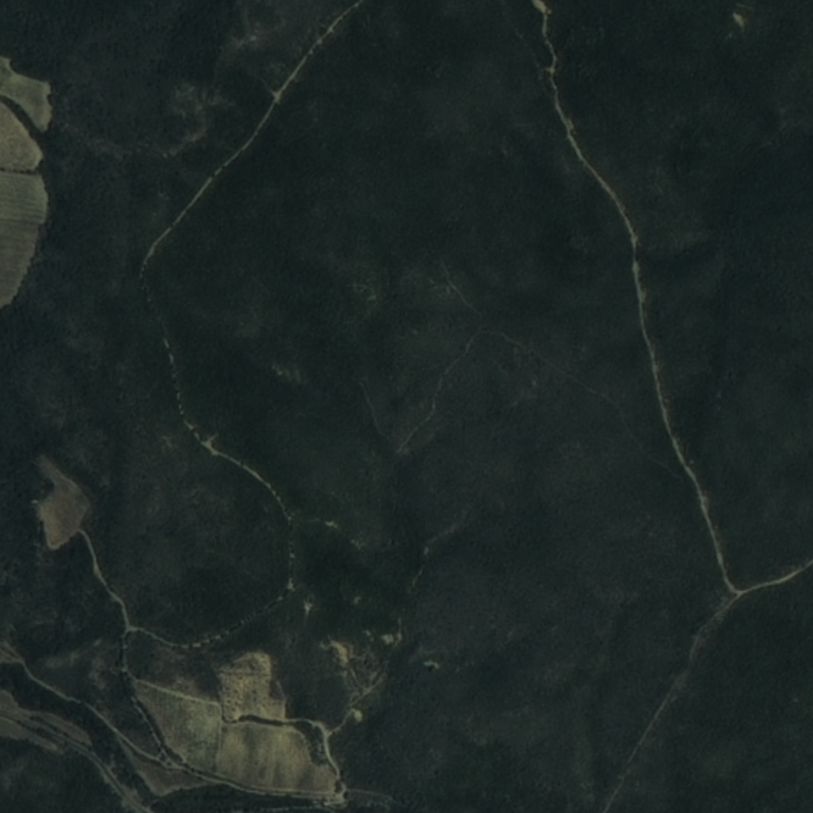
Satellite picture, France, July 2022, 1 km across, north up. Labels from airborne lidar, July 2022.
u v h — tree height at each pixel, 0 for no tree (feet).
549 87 17
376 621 18
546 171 23
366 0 18
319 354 18
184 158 19
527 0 18
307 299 22
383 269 18
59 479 0
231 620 18
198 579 18
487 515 17
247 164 22
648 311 22
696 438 22
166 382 18
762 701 18
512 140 18
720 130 22
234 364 19
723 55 19
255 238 23
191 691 0
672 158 20
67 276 23
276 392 18
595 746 21
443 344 0
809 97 21
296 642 25
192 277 17
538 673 0
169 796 20
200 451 28
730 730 18
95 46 18
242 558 31
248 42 0
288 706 22
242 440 18
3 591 18
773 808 22
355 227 18
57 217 23
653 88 22
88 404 21
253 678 0
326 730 0
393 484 18
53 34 18
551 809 22
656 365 0
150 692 0
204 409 17
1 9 20
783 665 23
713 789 19
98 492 22
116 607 20
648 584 19
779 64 19
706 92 18
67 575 39
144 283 30
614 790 0
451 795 23
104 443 19
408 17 17
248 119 17
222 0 17
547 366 0
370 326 23
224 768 0
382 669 25
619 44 29
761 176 21
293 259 22
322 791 0
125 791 0
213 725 0
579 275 18
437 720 0
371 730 17
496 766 22
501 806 28
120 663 26
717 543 0
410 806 32
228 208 23
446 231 22
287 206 26
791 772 18
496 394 18
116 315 23
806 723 19
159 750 25
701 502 0
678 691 0
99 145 0
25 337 20
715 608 0
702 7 18
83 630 30
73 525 0
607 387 0
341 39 20
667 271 20
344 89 19
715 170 22
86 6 18
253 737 0
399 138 17
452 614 0
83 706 28
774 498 0
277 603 24
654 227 24
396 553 17
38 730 25
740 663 18
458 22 24
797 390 23
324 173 19
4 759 18
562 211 19
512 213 19
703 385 20
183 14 22
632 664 21
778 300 21
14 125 0
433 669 31
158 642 29
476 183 19
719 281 19
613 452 0
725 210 30
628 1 24
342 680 0
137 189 18
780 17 20
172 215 19
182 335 21
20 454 23
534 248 18
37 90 0
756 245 20
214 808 18
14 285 0
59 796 20
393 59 20
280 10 0
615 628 19
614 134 18
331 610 19
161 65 19
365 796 0
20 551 19
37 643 26
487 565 20
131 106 0
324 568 25
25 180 0
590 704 17
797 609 26
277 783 0
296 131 19
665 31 20
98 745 23
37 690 26
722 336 19
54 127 25
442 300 0
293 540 24
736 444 0
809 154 18
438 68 34
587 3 30
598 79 21
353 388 18
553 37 20
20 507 22
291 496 20
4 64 0
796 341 19
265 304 20
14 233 0
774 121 20
